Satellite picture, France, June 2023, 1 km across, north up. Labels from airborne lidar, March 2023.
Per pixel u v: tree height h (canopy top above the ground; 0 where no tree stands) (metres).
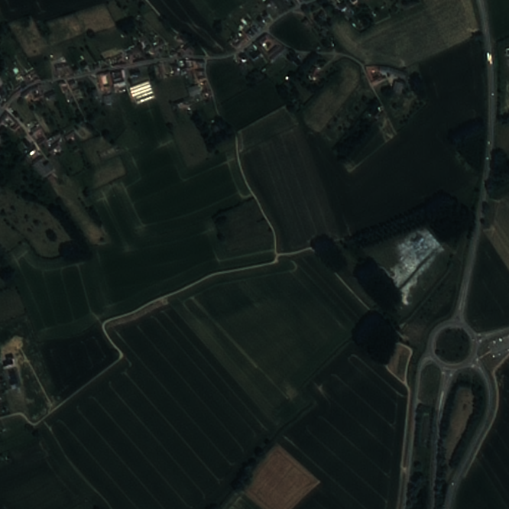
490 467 0
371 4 0
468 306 0
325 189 0
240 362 0
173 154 0
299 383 0
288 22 0
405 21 0
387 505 0
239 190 0
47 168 0
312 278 0
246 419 0
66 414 0
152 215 0
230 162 0
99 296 0
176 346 0
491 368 0
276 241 0
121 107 0
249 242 0
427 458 0
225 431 0
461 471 0
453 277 0
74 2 0
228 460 0
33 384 0
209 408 0
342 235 0
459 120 0
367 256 0
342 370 0
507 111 0
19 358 0
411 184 0
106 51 0
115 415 0
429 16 0
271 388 0
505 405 0
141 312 0
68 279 0
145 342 0
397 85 0
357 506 0
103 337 0
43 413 0
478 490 0
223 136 15
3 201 0
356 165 0
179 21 0
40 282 0
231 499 0
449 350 0
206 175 0
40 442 0
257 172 0
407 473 0
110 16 0
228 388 0
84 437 0
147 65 0
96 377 0
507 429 0
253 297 0
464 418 0
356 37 0
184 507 0
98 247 0
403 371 0
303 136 0
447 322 0
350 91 0
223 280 0
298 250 0
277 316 0
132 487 0
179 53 7
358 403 0
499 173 24
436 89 0
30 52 0
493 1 0
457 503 0
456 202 21
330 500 0
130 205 0
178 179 0
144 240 0
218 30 10
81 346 0
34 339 0
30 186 7
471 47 0
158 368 0
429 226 0
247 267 0
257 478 0
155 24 0
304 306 0
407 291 0
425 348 0
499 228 0
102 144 0
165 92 0
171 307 0
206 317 0
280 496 0
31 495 0
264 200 0
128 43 0
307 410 0
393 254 0
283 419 0
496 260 0
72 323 0
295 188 0
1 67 13
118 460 0
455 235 19
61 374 0
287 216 0
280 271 0
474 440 0
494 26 0
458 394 0
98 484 0
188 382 0
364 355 0
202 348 0
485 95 0
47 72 0
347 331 0
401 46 0
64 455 0
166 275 0
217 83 0
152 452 0
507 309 0
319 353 0
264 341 0
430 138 0
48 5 0
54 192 0
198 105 0
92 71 0
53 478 0
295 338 0
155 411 0
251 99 0
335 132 0
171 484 0
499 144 0
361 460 0
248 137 0
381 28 0
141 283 0
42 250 0
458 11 0
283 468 0
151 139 0
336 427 0
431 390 0
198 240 0
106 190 0
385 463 0
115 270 0
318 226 0
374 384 0
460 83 0
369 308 0
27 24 0
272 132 0
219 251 0
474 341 0
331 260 31
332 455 0
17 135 0
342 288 0
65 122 0
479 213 0
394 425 0
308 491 0
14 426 0
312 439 0
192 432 0
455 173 0
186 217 0
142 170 0
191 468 0
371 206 0
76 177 0
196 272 0
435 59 0
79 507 0
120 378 0
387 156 0
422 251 0
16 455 0
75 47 0
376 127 0
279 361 0
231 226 0
